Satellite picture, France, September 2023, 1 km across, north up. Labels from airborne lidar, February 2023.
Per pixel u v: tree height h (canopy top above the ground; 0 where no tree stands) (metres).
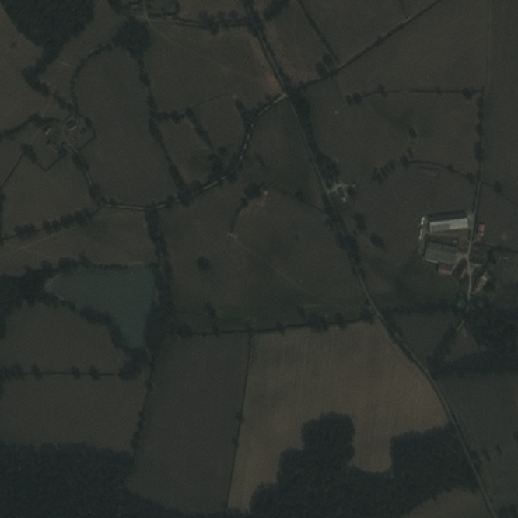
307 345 0
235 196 0
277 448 0
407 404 0
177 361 0
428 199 0
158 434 0
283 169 0
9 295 18
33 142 0
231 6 0
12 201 0
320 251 0
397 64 0
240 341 0
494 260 11
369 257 0
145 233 0
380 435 0
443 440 18
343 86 0
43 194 0
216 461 0
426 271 0
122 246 0
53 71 0
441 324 0
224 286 0
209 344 0
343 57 0
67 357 0
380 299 0
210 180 6
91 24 0
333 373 0
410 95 0
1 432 0
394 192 0
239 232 0
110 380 0
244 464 0
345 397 0
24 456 27
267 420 0
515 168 0
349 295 0
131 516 22
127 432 0
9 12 17
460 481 20
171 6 0
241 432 0
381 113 0
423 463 22
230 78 0
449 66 0
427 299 0
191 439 0
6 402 0
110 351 0
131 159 0
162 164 0
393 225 0
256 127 0
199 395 0
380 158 0
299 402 0
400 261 0
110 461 23
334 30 0
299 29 0
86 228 0
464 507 0
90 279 0
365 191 0
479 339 21
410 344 0
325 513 24
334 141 0
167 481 0
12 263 0
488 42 0
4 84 0
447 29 0
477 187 0
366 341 0
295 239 9
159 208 0
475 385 0
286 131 0
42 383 0
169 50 0
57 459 30
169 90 0
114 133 0
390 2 0
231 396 0
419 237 0
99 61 0
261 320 0
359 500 18
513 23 0
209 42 0
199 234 0
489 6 0
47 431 0
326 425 20
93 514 32
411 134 11
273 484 0
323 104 0
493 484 0
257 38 0
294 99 20
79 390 0
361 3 0
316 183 0
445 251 0
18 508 35
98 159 0
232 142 0
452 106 0
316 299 0
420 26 0
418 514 0
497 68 0
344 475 20
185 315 0
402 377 0
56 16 19
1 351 0
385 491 19
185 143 0
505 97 0
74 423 0
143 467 0
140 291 0
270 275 0
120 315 0
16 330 0
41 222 0
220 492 0
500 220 0
